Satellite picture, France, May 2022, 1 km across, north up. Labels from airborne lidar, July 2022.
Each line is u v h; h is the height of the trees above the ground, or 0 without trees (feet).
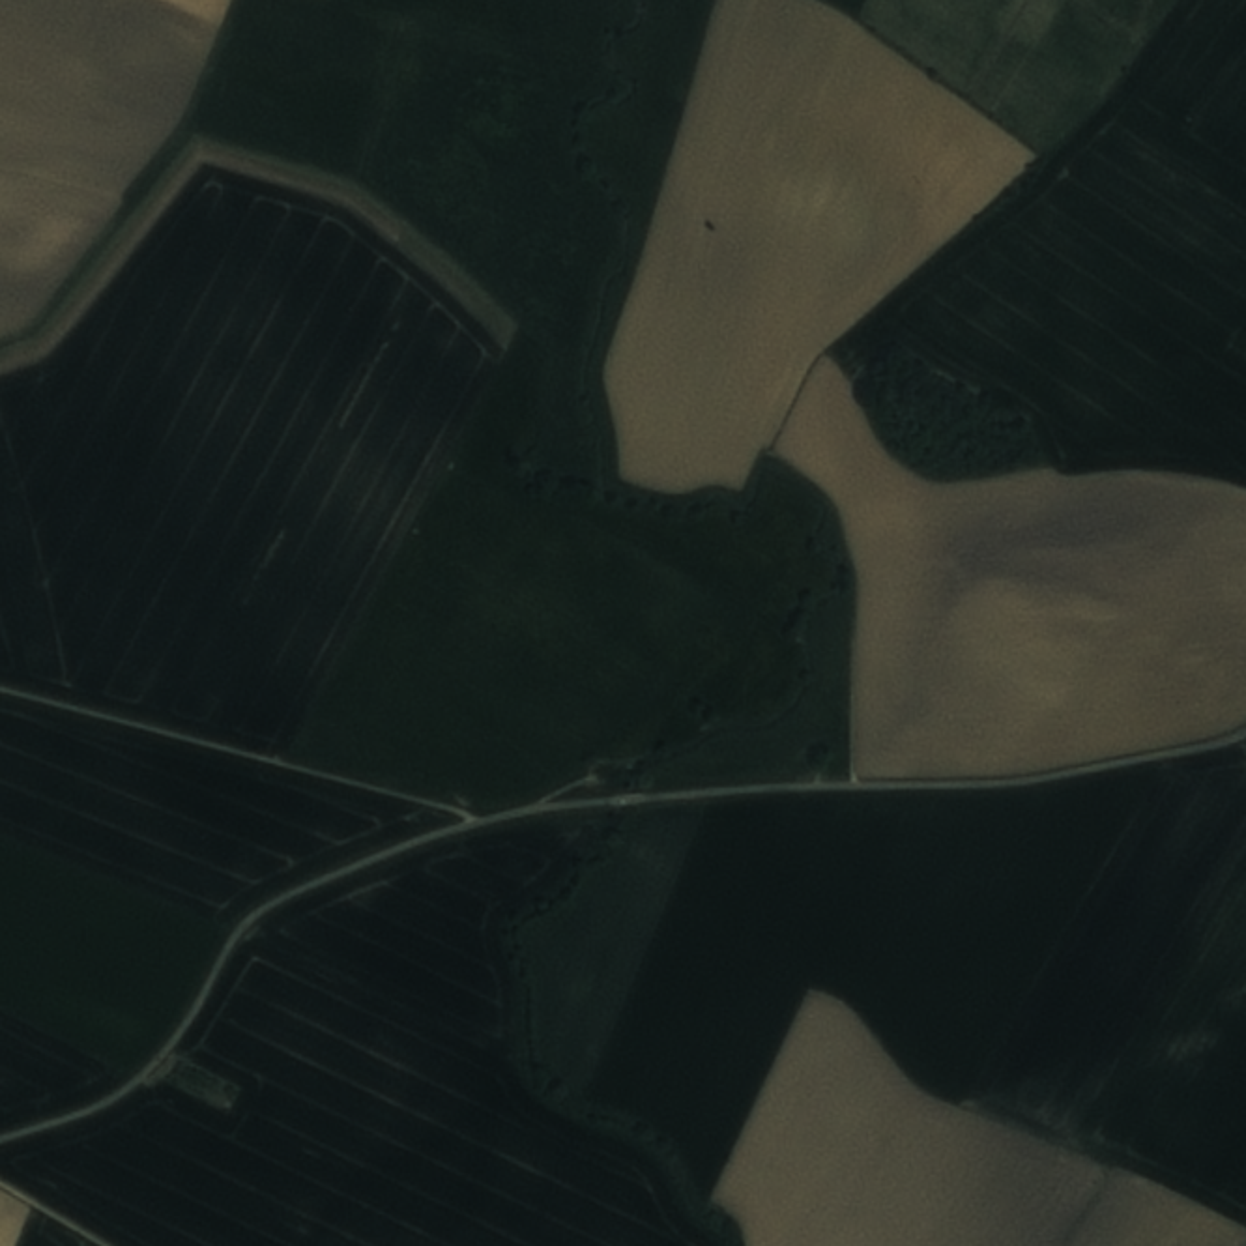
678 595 0
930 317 0
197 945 0
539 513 0
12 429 0
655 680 0
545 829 0
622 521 0
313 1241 0
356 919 0
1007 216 0
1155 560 0
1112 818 0
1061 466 0
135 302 0
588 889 0
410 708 0
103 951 0
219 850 0
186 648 0
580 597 0
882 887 0
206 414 0
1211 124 0
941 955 0
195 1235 0
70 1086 0
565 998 0
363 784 0
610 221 0
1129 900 0
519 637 0
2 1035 0
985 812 0
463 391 0
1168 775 0
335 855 0
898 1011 0
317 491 0
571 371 0
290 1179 0
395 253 0
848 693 0
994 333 0
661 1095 0
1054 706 0
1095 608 0
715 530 0
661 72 0
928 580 0
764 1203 0
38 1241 0
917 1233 0
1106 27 0
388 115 0
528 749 0
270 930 0
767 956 0
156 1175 0
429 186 0
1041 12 0
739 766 0
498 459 0
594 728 0
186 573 0
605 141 0
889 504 0
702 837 0
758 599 0
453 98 0
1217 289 0
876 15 0
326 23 0
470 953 0
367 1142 0
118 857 0
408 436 0
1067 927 0
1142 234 0
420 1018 0
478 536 0
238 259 0
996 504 0
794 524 0
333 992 0
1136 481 0
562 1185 0
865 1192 0
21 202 0
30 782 0
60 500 0
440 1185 0
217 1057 0
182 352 0
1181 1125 0
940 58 0
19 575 0
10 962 0
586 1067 0
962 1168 0
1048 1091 0
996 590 0
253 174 0
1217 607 0
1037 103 0
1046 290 0
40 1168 0
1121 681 0
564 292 0
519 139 0
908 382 59
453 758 0
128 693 0
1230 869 0
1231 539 0
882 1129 0
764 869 0
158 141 0
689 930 0
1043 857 0
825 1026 0
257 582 0
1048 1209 0
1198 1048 0
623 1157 0
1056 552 0
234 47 0
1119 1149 0
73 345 0
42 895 0
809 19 0
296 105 0
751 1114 0
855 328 0
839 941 0
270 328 0
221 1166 0
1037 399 0
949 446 26
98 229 0
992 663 0
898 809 0
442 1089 0
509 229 0
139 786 0
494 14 0
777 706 0
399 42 0
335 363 0
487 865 0
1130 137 0
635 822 0
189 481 0
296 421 0
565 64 0
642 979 0
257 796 0
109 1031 0
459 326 0
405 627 0
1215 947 0
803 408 0
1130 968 0
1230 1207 0
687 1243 0
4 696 0
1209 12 0
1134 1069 0
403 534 0
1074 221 0
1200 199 0
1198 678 0
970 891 0
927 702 0
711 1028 0
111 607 0
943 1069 0
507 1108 0
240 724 0
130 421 0
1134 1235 0
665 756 27
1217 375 0
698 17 0
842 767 0
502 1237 0
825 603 0
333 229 0
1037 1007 0
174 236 0
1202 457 0
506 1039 0
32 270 0
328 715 0
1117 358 0
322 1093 0
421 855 0
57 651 0
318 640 0
